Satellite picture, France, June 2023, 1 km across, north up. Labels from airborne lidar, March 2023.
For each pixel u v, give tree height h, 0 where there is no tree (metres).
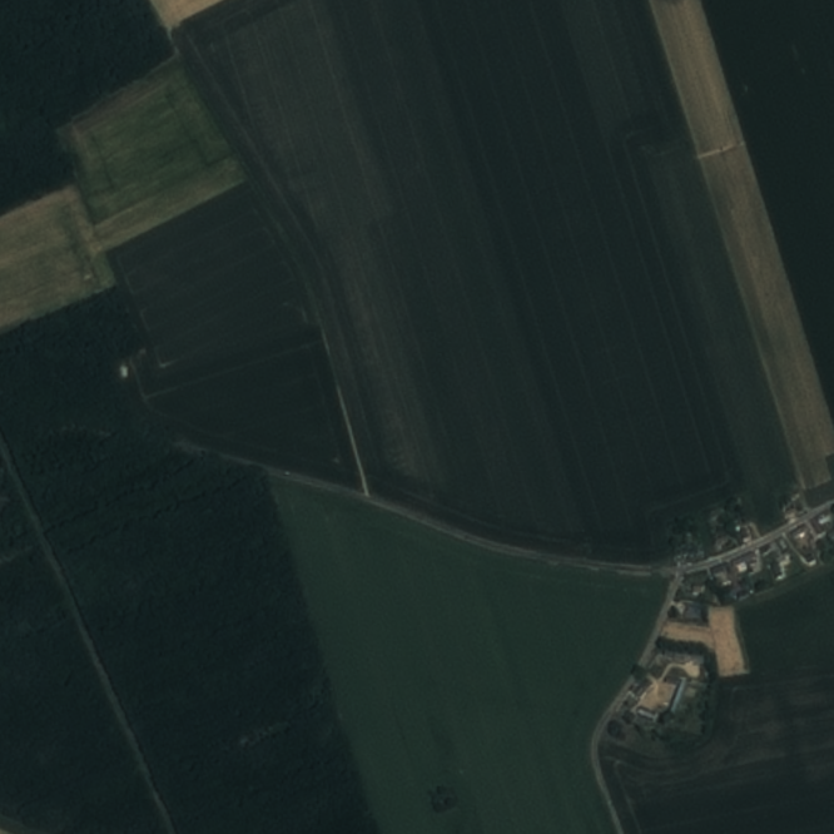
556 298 0
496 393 0
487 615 0
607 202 0
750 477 0
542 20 0
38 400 18
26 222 0
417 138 0
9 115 20
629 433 0
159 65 12
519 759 0
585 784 0
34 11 16
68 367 22
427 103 0
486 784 0
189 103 0
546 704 0
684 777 0
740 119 0
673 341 0
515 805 0
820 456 0
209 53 0
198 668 13
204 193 0
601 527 0
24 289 0
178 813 14
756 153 0
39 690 19
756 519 0
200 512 13
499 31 0
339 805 15
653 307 0
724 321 0
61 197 0
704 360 0
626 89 0
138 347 18
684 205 0
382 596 0
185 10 0
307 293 0
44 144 13
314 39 0
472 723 0
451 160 0
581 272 0
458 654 0
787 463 0
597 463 0
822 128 0
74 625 20
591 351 0
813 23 0
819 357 0
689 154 0
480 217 0
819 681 0
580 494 0
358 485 0
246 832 12
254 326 0
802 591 0
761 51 0
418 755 0
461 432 0
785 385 0
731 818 0
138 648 21
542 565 0
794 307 0
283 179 0
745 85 0
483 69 0
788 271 0
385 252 0
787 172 0
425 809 0
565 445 0
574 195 0
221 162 0
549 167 0
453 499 0
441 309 0
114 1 13
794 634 0
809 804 0
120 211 0
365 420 0
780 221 0
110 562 21
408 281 0
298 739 20
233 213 0
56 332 15
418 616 0
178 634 21
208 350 0
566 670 0
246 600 19
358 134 0
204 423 0
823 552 10
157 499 17
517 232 0
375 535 0
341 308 0
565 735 0
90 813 8
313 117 0
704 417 0
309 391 0
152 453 19
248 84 0
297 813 15
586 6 0
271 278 0
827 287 0
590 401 0
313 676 14
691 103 0
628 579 0
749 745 0
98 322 14
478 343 0
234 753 21
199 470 19
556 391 0
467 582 0
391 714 0
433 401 0
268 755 20
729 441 0
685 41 0
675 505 0
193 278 0
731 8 0
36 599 11
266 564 18
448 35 0
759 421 0
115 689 17
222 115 0
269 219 0
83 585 18
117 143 0
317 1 0
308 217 0
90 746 18
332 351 0
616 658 0
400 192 0
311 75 0
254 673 18
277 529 11
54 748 18
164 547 19
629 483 0
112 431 20
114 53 19
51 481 17
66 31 16
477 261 0
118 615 17
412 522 0
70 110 17
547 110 0
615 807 0
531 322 0
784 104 0
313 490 0
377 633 0
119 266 0
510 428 0
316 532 0
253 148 0
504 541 0
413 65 0
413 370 0
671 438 0
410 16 0
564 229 0
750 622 0
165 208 0
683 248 0
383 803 0
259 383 0
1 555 19
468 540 0
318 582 0
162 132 0
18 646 19
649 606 0
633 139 0
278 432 0
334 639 0
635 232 0
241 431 0
